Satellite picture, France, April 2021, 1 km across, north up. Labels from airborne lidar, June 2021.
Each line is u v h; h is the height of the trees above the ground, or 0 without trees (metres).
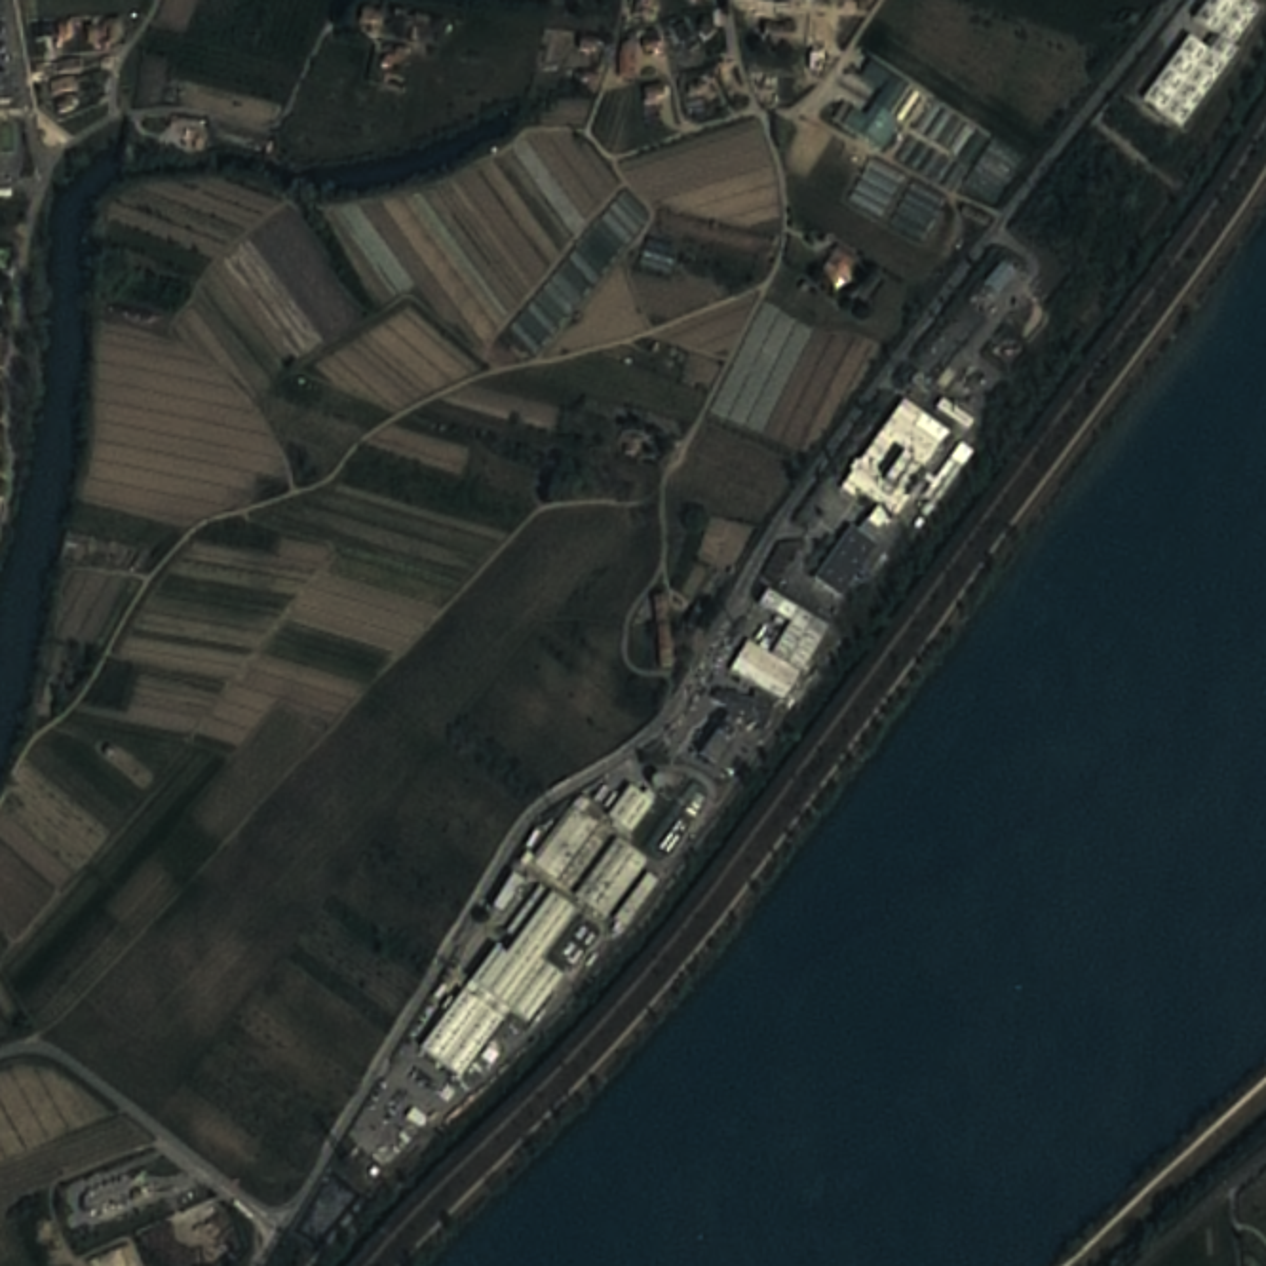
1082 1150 0
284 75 0
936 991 0
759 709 0
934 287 11
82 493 0
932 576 0
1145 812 0
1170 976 0
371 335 0
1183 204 16
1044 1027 0
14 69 0
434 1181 0
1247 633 0
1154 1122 0
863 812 0
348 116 0
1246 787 0
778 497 0
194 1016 0
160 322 0
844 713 0
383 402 0
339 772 0
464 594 0
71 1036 0
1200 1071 0
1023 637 0
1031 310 0
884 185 0
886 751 0
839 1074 0
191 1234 0
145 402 0
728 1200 0
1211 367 0
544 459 8
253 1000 0
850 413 0
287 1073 0
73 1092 0
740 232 0
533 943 0
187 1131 0
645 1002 0
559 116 0
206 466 0
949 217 7
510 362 0
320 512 0
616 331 0
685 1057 0
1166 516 0
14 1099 0
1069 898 0
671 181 0
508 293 0
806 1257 0
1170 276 8
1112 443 0
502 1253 0
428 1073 0
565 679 0
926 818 0
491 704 0
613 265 0
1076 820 0
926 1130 0
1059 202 12
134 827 0
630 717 0
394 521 0
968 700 0
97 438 0
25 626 0
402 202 0
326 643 0
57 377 0
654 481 0
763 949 0
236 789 0
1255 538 0
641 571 0
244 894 0
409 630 0
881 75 0
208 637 0
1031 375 14
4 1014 0
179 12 0
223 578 0
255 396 0
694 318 0
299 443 0
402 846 0
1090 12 0
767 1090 0
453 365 0
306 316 0
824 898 0
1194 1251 0
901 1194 0
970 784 0
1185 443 0
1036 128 0
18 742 9
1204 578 0
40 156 0
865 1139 0
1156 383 0
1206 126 0
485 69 0
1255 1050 0
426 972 9
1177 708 0
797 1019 0
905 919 0
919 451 0
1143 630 0
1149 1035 0
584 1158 0
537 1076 0
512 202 0
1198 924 0
